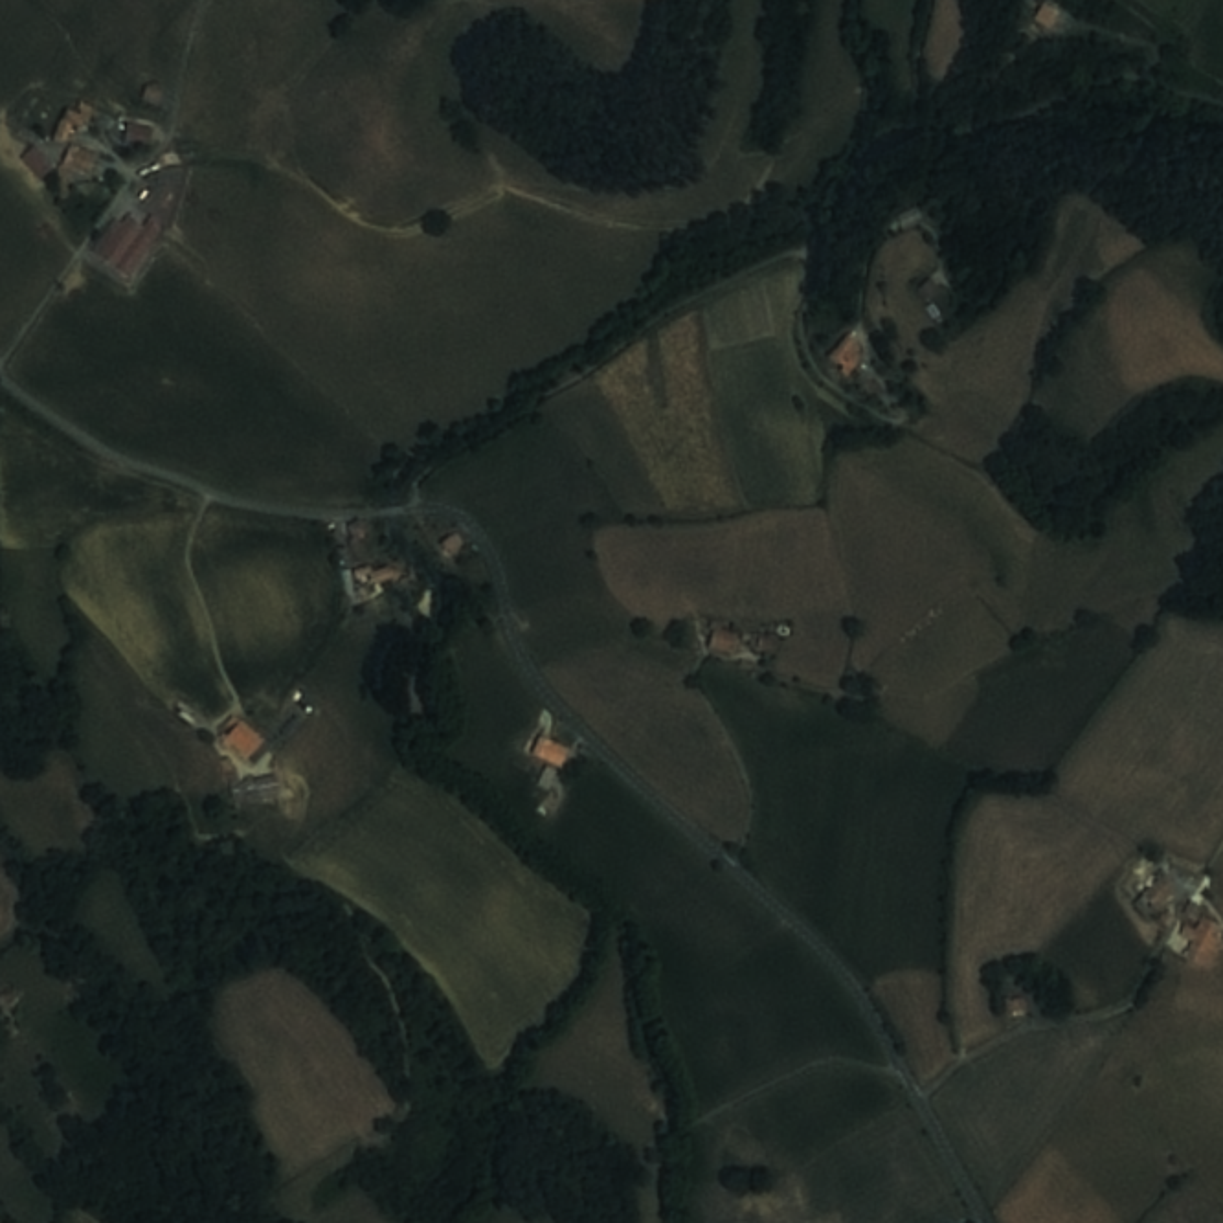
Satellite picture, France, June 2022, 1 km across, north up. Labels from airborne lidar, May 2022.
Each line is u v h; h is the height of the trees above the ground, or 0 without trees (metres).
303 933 13
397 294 0
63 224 0
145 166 0
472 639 0
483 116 15
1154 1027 0
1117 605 0
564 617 0
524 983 0
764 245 5
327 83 0
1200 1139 0
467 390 0
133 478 0
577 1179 9
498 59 18
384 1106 0
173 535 0
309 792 0
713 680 0
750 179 0
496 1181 7
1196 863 0
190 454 0
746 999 0
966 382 0
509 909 0
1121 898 0
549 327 0
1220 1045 0
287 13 0
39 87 0
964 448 0
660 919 0
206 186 0
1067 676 0
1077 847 0
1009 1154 0
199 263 0
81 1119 11
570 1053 0
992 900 0
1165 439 7
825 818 0
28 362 0
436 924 0
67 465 0
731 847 11
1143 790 0
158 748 0
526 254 0
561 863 18
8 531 0
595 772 0
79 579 0
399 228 0
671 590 0
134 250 0
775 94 21
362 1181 14
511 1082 19
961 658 0
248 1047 0
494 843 0
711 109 30
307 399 0
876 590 0
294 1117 0
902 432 10
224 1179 16
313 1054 0
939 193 16
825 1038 0
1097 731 0
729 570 0
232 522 0
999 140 22
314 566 0
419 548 7
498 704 0
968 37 10
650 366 0
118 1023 19
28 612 0
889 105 26
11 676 14
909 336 0
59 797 0
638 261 0
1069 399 0
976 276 16
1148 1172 0
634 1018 12
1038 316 0
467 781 23
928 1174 0
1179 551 0
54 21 0
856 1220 0
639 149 28
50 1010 0
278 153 0
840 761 0
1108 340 0
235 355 0
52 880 16
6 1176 0
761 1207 0
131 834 11
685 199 0
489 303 0
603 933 18
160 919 12
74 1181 20
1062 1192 0
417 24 0
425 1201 16
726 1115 0
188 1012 14
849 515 0
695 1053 0
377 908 0
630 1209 18
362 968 8
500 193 0
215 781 0
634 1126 0
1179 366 0
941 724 0
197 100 0
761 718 0
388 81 0
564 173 30
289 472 0
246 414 0
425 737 21
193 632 0
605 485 0
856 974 0
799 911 0
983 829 0
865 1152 0
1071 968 0
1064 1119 0
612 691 0
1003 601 0
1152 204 22
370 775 0
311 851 0
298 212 0
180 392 0
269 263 0
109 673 0
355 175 0
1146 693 0
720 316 0
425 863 0
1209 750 0
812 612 0
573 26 0
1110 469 7
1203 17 0
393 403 0
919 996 0
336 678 0
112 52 0
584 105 13
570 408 0
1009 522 0
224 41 0
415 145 0
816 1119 0
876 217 14
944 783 0
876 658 0
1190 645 0
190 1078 17
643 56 23
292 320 0
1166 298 0
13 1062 0
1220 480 11
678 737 0
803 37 17
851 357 0
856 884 0
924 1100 0
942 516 0
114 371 0
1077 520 23
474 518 0
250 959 24
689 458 0
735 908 0
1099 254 0
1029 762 0
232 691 0
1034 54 12
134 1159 26
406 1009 14
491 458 0
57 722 20
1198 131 24
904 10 0
